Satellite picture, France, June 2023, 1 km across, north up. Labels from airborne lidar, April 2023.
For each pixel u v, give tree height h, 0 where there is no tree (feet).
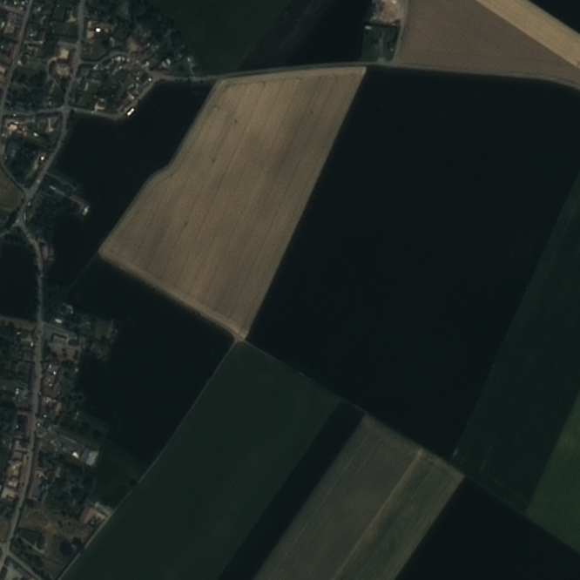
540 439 0
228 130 0
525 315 0
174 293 0
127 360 0
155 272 0
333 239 0
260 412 0
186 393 0
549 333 0
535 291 0
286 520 0
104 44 32
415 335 0
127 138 0
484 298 0
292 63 0
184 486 0
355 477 0
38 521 0
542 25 0
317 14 0
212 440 0
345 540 0
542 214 0
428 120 0
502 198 0
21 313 0
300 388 0
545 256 0
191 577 0
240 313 0
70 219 0
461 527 0
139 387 0
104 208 0
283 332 0
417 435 0
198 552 0
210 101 0
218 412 0
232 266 0
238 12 0
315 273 0
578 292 0
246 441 0
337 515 0
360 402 0
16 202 0
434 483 0
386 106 0
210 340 0
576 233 0
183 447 0
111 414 0
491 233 0
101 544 0
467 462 0
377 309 0
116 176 0
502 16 0
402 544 0
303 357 0
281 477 0
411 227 0
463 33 0
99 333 0
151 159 0
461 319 0
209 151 0
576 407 0
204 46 0
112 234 0
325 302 0
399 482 0
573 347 0
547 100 0
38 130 0
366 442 0
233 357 0
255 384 0
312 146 0
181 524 0
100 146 0
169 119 0
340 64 0
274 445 0
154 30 24
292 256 0
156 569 0
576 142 0
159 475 0
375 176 0
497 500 0
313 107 0
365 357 0
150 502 0
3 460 0
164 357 0
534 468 0
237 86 0
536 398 0
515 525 0
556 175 0
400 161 0
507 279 0
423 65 0
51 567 0
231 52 0
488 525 0
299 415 0
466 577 0
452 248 0
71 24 0
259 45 0
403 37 0
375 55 0
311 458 0
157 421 0
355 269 0
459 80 0
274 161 0
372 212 0
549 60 0
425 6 0
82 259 0
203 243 0
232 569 0
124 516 0
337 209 0
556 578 0
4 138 0
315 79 0
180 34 31
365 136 0
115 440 0
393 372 0
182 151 0
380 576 0
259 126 0
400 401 0
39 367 0
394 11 0
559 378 0
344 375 0
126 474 0
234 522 0
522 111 0
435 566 0
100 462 0
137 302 0
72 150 0
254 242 0
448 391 0
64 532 0
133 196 0
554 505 0
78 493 46
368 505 0
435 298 0
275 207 0
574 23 0
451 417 0
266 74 0
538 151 0
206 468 0
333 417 0
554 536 0
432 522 0
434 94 0
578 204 0
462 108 0
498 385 0
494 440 0
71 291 0
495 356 0
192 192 0
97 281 0
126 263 0
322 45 0
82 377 0
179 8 0
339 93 0
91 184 0
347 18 0
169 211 0
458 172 0
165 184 0
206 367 0
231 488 0
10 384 0
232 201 0
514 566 0
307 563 0
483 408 0
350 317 0
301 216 0
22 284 0
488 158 0
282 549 0
